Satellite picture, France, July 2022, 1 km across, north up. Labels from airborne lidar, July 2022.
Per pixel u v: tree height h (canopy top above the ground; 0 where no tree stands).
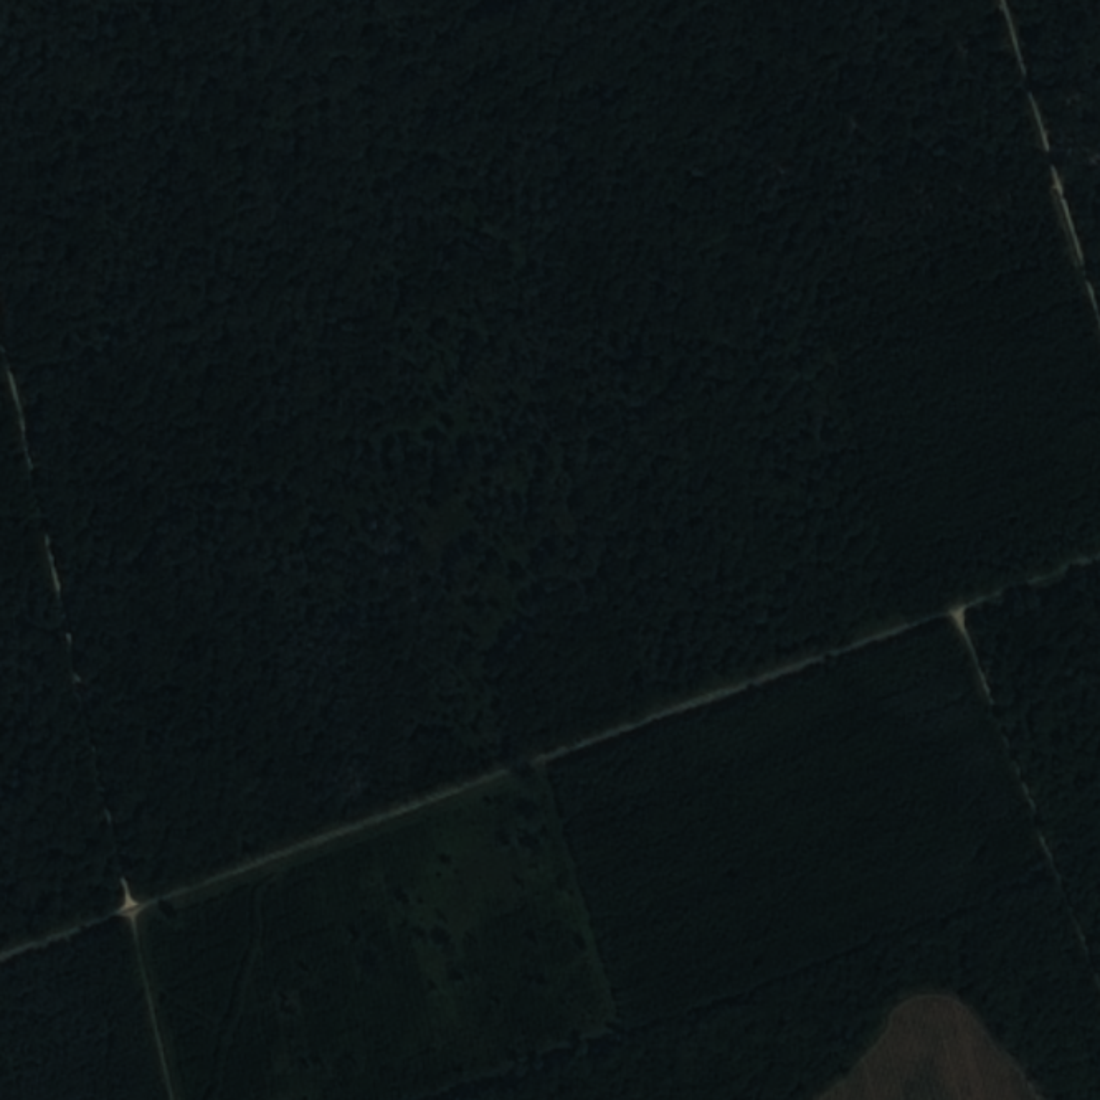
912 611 20
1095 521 18
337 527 25
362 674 27
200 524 11
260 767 19
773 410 19
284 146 22
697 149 26
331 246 24
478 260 21
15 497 23
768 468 23
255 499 18
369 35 21
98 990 11
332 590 14
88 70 23
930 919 16
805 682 12
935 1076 0
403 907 19
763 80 25
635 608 19
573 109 29
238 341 20
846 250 20
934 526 13
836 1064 16
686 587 25
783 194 22
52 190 23
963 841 13
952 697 9
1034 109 0
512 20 29
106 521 25
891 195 24
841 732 12
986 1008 10
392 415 23
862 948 19
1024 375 14
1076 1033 20
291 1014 22
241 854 17
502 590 0
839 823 12
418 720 6
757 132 18
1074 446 18
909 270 8
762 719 13
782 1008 22
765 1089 20
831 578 23
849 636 10
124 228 19
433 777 14
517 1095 24
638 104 24
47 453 23
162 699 17
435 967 0
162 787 20
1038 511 17
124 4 19
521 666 19
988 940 22
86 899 24
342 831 0
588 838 12
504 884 0
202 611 27
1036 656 22
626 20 25
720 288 26
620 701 23
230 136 28
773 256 18
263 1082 6
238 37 28
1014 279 20
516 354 18
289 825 25
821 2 25
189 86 26
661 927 12
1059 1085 15
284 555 20
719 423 20
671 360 16
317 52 23
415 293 22
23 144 24
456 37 29
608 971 9
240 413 23
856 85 20
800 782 11
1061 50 12
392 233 21
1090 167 26
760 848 12
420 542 26
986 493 16
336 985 5
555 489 15
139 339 22
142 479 16
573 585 22
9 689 18
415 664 23
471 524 0
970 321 15
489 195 20
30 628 24
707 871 13
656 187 27
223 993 6
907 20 25
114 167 15
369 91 26
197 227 20
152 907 0
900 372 10
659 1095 22
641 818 12
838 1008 24
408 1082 6
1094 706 28
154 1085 15
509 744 18
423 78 31
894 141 21
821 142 20
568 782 10
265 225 23
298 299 23
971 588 23
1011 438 13
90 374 24
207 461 17
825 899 11
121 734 27
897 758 11
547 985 21
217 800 23
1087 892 22
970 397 13
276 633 24
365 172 23
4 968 12
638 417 25
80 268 25
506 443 24
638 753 14
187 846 27
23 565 21
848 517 28
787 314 26
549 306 19
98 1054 13
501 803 11
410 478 23
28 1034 12
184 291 28
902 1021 0
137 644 30
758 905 11
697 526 27
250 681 23
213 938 6
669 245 24
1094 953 12
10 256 18
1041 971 17
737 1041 22
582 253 23
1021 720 19
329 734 20
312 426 24
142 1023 18
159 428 23
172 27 25
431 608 25
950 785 18
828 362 23
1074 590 16
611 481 19
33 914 26
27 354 21
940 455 15
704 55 23
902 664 11
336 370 21
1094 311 17
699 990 17
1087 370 14
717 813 13
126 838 26
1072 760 22
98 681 24
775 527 19
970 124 17
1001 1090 0
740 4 22
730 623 23
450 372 12
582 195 24
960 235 15
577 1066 19
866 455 12
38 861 27
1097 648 24
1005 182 22
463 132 25
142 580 23
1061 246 18
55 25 18
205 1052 6
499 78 23
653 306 23
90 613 28
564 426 25
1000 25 23
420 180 24
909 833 13
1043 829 16
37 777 26
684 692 17
